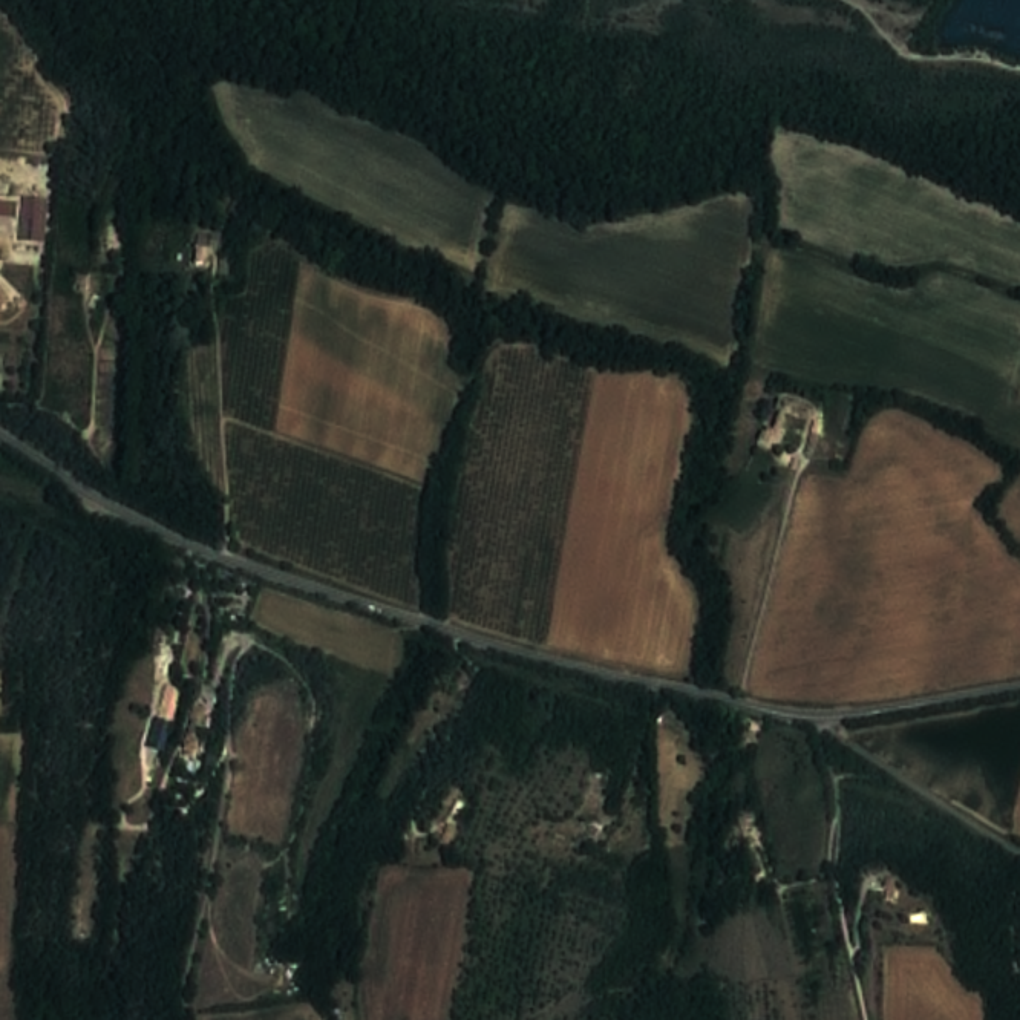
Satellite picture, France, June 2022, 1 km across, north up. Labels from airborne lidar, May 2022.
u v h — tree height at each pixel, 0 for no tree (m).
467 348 21
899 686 0
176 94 26
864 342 0
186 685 14
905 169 18
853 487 0
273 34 24
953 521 0
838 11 8
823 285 0
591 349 20
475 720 7
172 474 19
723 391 19
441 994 0
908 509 0
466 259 0
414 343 0
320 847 13
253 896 0
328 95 19
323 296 0
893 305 0
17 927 11
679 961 8
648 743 14
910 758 0
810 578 0
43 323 11
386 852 13
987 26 0
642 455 0
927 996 0
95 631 9
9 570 15
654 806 11
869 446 0
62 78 7
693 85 12
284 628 0
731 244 0
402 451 0
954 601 0
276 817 0
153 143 18
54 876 9
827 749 11
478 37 17
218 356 0
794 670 0
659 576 0
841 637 0
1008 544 8
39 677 13
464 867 12
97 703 15
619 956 8
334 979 16
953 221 0
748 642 0
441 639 10
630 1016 13
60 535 7
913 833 7
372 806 11
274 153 0
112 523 14
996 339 0
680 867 0
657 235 0
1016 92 12
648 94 8
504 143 23
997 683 0
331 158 0
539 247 0
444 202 0
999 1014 15
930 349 0
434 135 23
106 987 22
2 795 0
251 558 11
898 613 0
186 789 15
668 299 0
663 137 13
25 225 0
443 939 0
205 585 10
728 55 7
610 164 16
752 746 8
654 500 0
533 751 9
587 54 8
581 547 0
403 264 18
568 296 0
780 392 7
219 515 15
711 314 0
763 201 23
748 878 11
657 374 14
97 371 0
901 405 9
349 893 9
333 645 0
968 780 0
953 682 0
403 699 16
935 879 13
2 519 17
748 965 0
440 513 19
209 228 17
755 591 0
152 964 10
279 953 10
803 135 12
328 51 23
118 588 18
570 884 7
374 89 22
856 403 9
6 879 0
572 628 0
